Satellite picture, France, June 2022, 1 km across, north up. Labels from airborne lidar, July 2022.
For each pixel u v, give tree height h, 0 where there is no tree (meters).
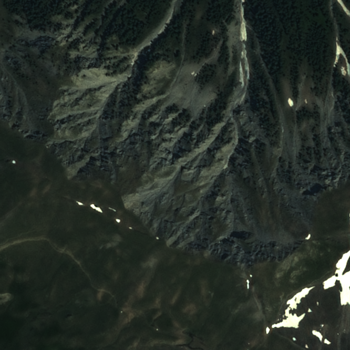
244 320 0
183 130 0
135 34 27
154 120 0
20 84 0
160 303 0
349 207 0
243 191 0
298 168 0
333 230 0
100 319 0
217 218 0
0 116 0
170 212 0
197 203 0
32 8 16
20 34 0
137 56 0
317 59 16
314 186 0
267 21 31
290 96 0
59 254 0
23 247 0
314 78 13
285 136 0
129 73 0
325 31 12
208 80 13
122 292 0
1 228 0
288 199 0
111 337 0
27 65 0
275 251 0
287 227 0
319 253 0
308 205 0
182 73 0
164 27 0
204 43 15
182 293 0
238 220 0
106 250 0
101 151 0
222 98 14
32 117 0
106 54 0
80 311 0
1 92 0
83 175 0
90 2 7
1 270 0
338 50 0
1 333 0
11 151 0
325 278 0
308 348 0
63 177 0
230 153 0
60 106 0
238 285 0
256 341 0
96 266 0
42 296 0
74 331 0
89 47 0
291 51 17
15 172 0
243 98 0
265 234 0
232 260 0
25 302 0
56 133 0
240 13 0
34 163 0
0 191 0
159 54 17
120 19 20
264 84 21
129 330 0
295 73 9
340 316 0
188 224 0
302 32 13
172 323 0
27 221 0
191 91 0
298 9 22
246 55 0
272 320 0
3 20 7
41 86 0
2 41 0
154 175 0
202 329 0
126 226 0
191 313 0
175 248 0
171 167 0
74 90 0
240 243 0
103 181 0
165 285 0
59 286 0
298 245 0
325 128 0
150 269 0
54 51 0
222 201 0
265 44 31
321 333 0
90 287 0
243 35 0
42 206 0
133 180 0
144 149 0
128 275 0
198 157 0
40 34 0
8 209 0
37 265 0
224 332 0
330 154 0
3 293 0
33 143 0
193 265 0
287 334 0
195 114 0
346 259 0
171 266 0
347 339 0
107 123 0
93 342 0
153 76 0
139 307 0
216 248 0
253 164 9
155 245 0
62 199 0
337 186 0
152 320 0
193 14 9
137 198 0
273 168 0
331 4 0
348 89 20
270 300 0
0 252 0
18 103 0
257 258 0
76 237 0
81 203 0
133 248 0
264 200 0
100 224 0
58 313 0
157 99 0
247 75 0
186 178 0
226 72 8
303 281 0
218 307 0
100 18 0
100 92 0
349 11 0
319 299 0
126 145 0
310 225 0
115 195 0
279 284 0
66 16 12
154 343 0
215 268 0
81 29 0
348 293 0
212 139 0
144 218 0
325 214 0
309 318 0
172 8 0
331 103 0
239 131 0
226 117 0
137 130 0
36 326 0
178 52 17
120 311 0
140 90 14
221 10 13
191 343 0
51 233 0
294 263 0
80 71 8
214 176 0
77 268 0
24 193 0
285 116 0
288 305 0
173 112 9
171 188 0
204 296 0
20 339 0
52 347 0
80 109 0
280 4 26
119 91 0
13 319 0
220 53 12
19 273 0
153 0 27
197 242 0
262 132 0
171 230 0
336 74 15
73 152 0
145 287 0
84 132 0
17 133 0
